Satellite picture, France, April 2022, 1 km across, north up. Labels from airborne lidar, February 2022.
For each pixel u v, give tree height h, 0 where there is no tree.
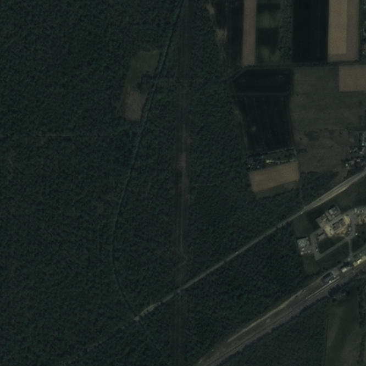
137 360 12
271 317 0
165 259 14
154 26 13
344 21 0
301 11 0
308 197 13
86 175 17
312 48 0
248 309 12
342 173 0
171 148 18
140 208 13
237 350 0
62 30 14
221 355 0
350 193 0
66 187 25
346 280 0
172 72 14
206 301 9
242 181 13
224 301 12
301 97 0
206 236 14
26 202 19
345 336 0
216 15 0
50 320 19
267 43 0
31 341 20
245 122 0
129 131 7
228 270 9
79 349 12
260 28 0
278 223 12
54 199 21
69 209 20
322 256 0
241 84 0
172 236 10
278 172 0
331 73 0
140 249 11
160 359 18
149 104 9
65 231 19
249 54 0
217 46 13
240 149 12
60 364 13
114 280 16
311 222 0
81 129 17
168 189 14
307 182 8
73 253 20
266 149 0
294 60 0
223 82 17
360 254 0
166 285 15
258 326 0
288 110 0
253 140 0
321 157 0
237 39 0
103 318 19
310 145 0
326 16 0
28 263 17
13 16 13
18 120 20
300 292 0
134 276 16
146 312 0
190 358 13
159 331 16
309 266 0
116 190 13
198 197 6
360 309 8
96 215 19
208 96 16
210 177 10
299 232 0
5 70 19
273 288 15
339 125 0
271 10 0
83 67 19
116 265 15
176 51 13
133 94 0
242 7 0
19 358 21
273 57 0
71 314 19
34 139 17
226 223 10
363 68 0
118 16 15
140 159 20
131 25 18
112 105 20
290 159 6
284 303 0
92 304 20
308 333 9
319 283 0
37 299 20
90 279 21
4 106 20
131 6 14
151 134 18
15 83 18
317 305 11
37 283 20
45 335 14
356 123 0
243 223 13
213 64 22
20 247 14
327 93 0
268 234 0
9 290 19
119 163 28
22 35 13
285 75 0
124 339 22
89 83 20
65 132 18
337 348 0
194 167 12
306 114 0
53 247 19
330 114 0
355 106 0
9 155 23
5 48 11
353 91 0
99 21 18
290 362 9
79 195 18
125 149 31
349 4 0
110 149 24
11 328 16
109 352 16
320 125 0
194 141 12
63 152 19
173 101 16
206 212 8
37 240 16
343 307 0
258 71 0
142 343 19
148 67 0
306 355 11
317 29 0
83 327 20
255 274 16
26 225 18
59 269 22
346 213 0
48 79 11
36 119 19
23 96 22
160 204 16
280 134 0
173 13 21
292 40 0
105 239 20
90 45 11
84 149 15
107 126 20
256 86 0
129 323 0
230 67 0
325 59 0
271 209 14
